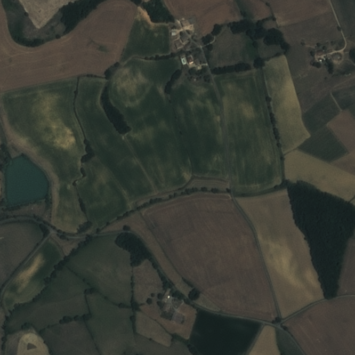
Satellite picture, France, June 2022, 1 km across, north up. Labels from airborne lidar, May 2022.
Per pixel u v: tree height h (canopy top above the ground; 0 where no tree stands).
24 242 0
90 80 0
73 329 0
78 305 0
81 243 14
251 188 0
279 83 0
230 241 0
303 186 32
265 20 10
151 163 0
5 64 0
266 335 0
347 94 0
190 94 0
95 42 0
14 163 0
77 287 0
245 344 0
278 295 0
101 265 0
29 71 0
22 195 0
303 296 0
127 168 0
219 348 0
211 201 0
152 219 0
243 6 0
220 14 0
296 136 0
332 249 22
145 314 0
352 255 0
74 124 0
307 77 0
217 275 0
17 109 0
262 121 0
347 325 0
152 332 0
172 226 0
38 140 0
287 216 0
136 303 11
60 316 0
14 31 0
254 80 0
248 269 0
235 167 0
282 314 0
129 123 0
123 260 0
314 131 0
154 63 0
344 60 0
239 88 0
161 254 0
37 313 0
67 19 14
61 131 0
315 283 0
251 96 0
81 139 0
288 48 18
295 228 0
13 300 0
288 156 0
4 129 0
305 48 0
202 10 0
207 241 0
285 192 0
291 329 0
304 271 0
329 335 0
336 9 0
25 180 0
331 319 0
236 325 0
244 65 20
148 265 0
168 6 0
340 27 11
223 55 0
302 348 0
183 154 0
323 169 0
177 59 0
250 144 0
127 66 0
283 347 0
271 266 0
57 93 0
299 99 0
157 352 0
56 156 0
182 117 0
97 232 8
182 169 0
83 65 0
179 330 0
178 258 0
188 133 0
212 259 0
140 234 0
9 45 0
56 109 0
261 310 0
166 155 0
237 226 0
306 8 0
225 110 0
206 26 0
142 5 8
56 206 0
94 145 0
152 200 13
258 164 0
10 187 0
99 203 0
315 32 0
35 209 0
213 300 0
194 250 0
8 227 0
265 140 0
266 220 0
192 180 0
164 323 0
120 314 0
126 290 0
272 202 0
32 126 0
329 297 19
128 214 12
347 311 0
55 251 0
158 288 0
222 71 24
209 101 0
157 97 0
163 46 0
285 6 0
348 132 0
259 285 0
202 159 0
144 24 0
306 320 0
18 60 0
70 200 0
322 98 0
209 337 0
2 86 0
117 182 0
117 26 0
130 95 0
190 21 0
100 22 0
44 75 0
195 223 0
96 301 0
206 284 0
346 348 0
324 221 26
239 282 0
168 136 0
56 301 0
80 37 0
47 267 0
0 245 0
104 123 0
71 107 0
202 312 0
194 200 0
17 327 0
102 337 0
